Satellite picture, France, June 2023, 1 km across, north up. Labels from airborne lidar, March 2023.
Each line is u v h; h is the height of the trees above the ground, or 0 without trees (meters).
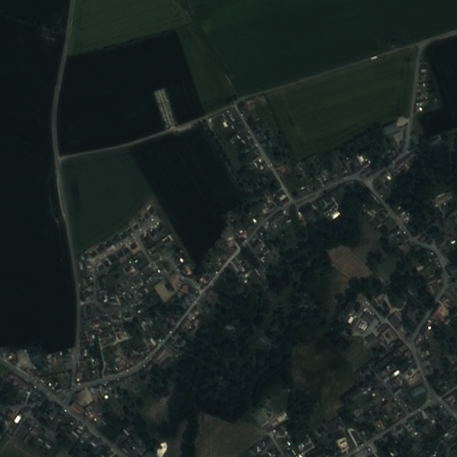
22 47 0
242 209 11
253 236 0
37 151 0
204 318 0
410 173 11
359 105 0
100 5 0
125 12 0
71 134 0
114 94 0
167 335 0
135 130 0
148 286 0
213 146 11
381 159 8
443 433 11
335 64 0
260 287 6
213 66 0
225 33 0
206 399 29
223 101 0
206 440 0
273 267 11
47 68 0
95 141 0
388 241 17
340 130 0
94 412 0
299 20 0
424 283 16
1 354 0
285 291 0
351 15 0
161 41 0
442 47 0
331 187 0
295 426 14
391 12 0
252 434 0
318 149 0
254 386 27
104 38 0
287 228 0
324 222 21
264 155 0
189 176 0
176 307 6
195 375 33
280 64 0
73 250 0
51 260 0
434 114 0
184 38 0
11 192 0
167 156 0
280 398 0
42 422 14
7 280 0
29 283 0
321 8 0
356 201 28
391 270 0
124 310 0
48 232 0
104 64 0
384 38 0
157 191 0
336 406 0
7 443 0
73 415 0
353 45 0
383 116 0
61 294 0
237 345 9
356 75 0
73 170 0
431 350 0
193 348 7
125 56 0
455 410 0
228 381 17
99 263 0
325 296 0
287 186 0
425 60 0
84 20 0
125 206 0
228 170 11
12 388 16
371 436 0
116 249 0
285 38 0
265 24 0
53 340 0
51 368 0
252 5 0
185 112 0
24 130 0
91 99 0
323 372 0
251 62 0
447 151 35
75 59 0
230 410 18
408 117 0
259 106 0
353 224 35
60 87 0
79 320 0
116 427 0
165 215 0
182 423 0
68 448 0
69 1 0
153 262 0
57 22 0
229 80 0
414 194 20
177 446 0
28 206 0
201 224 0
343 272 0
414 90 0
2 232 0
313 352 0
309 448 0
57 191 0
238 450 0
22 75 0
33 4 0
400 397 0
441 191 0
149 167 0
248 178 7
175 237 0
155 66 0
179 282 0
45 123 0
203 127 13
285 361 27
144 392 0
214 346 16
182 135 0
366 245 0
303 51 0
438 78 0
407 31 0
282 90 0
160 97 0
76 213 0
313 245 18
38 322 0
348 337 0
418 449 0
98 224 0
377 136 14
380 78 0
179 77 0
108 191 0
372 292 0
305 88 0
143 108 0
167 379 11
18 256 0
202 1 0
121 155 0
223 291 0
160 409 0
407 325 12
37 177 0
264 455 0
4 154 0
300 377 0
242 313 8
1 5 0
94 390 0
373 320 0
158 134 0
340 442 0
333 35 0
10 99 0
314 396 0
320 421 0
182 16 0
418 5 0
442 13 0
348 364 0
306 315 10
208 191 0
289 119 0
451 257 0
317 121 0
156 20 0
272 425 0
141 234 0
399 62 0
